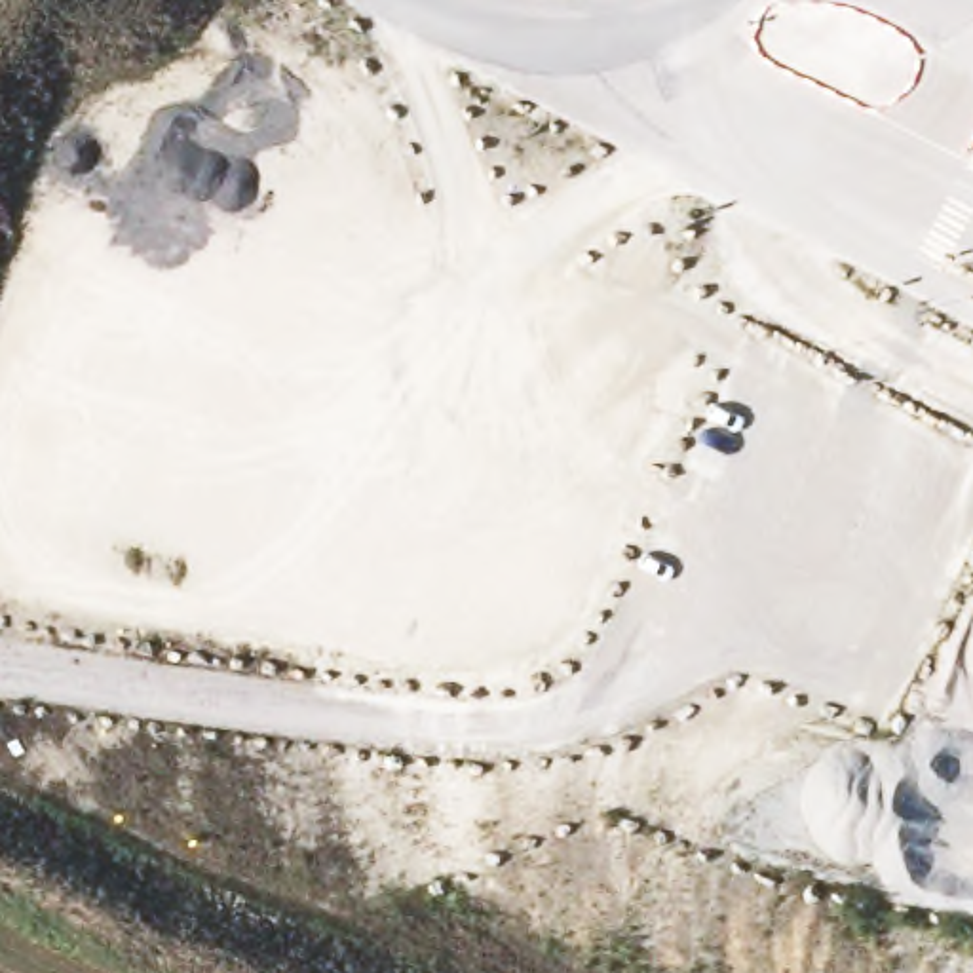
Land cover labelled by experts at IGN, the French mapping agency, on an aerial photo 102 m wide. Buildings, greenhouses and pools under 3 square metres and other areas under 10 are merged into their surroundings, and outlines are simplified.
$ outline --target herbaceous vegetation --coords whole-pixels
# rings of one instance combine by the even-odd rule
[[[34,908],[27,893],[4,893],[0,886],[0,924],[99,973],[175,973],[133,965],[99,939],[99,931],[68,927],[61,912]]]
[[[620,931],[597,931],[589,946],[551,939],[544,954],[517,950],[513,935],[490,931],[490,916],[502,905],[494,905],[490,897],[471,897],[460,882],[452,882],[452,874],[441,878],[441,893],[426,893],[422,886],[388,886],[376,897],[365,897],[369,874],[361,870],[350,844],[300,848],[293,836],[281,836],[281,825],[258,813],[266,768],[255,756],[239,756],[232,749],[232,734],[224,726],[213,741],[205,741],[198,722],[190,722],[186,741],[152,741],[148,734],[133,734],[122,745],[103,749],[95,768],[99,802],[91,813],[76,810],[65,794],[65,783],[34,787],[23,775],[23,764],[8,753],[8,741],[65,741],[65,703],[49,703],[42,718],[34,718],[34,699],[23,699],[19,715],[11,715],[0,699],[0,794],[30,806],[34,813],[46,813],[57,825],[76,825],[87,840],[99,840],[114,859],[160,867],[163,874],[201,889],[217,908],[232,908],[247,924],[308,927],[319,939],[331,939],[334,954],[346,954],[346,946],[365,946],[388,950],[391,958],[426,958],[429,969],[437,969],[441,950],[452,950],[456,973],[673,973],[665,965],[654,965],[654,954],[646,950],[646,935],[639,924],[627,924]]]

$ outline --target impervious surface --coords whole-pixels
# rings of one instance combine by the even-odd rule
[[[889,281],[905,296],[931,300],[958,323],[973,327],[973,27],[924,49],[924,42],[912,30],[901,38],[867,15],[817,0],[346,0],[350,8],[369,15],[376,30],[403,27],[422,46],[456,53],[456,65],[471,72],[479,84],[494,87],[498,99],[532,99],[540,118],[563,118],[582,137],[604,137],[623,156],[654,156],[669,163],[669,171],[688,175],[688,194],[711,209],[707,247],[722,258],[722,270],[734,258],[749,258],[764,285],[772,285],[787,304],[798,308],[813,293],[832,300],[848,285],[840,262],[851,262],[870,281]]]

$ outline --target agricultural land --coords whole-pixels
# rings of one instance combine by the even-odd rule
[[[0,924],[0,973],[99,973]]]

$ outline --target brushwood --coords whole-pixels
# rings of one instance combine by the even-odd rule
[[[870,935],[878,946],[889,946],[889,931],[924,931],[931,920],[927,908],[893,905],[882,886],[817,882],[813,897],[844,897],[848,916],[836,939],[844,943]]]
[[[943,935],[954,939],[958,954],[973,958],[973,916],[943,916]]]

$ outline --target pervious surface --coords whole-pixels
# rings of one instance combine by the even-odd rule
[[[456,973],[452,950],[441,950],[437,969],[429,969],[426,958],[391,958],[388,950],[365,946],[346,946],[346,954],[334,954],[331,939],[319,939],[308,927],[247,924],[232,908],[217,908],[201,889],[163,874],[160,867],[114,859],[99,840],[87,840],[76,825],[57,825],[46,813],[34,813],[30,806],[0,794],[0,886],[4,893],[27,893],[34,908],[61,912],[68,927],[99,931],[99,939],[133,965],[175,973]]]
[[[958,954],[954,939],[943,935],[943,916],[973,916],[973,327],[958,323],[931,300],[905,296],[889,281],[870,281],[851,262],[840,262],[848,285],[832,300],[813,293],[798,308],[787,304],[772,285],[764,285],[749,258],[734,258],[722,270],[722,258],[707,247],[711,209],[688,194],[688,175],[669,171],[669,163],[654,156],[623,156],[604,137],[582,137],[563,118],[540,118],[532,99],[498,99],[494,87],[479,84],[471,72],[456,65],[456,53],[422,46],[403,27],[376,30],[369,15],[350,8],[346,0],[0,0],[0,699],[11,715],[19,715],[23,699],[34,699],[34,718],[42,718],[49,703],[65,703],[65,741],[8,741],[8,753],[23,764],[23,775],[34,787],[65,783],[65,794],[76,810],[91,813],[99,802],[95,768],[103,749],[122,745],[133,734],[148,734],[152,741],[186,741],[190,722],[198,722],[205,741],[213,741],[224,726],[232,734],[232,749],[239,756],[255,756],[266,768],[258,813],[281,825],[281,836],[293,836],[300,848],[350,844],[361,870],[369,874],[365,897],[376,897],[388,886],[422,886],[426,893],[441,893],[441,878],[452,874],[452,882],[460,882],[471,897],[490,897],[494,905],[502,905],[490,916],[490,931],[513,935],[517,950],[544,954],[551,939],[589,946],[597,931],[620,931],[627,924],[639,924],[646,935],[646,950],[654,954],[654,965],[665,965],[673,973],[973,973],[973,958]],[[924,931],[889,931],[889,946],[878,946],[870,935],[844,943],[836,939],[848,916],[844,897],[813,897],[817,882],[882,886],[893,905],[927,908],[931,920]]]
[[[867,15],[901,38],[912,30],[924,42],[924,49],[973,27],[973,0],[817,0]]]

